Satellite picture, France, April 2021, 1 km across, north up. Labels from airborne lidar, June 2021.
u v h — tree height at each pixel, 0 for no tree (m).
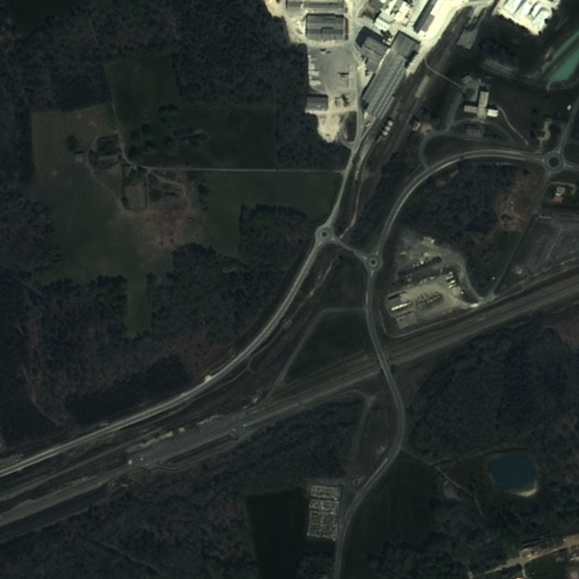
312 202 0
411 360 0
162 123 10
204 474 6
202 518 18
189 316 15
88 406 10
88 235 0
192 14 13
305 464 17
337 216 0
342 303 0
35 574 13
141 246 0
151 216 0
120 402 9
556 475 21
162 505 14
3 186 23
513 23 11
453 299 0
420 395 8
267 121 0
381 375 0
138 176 9
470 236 17
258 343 0
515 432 20
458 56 10
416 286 0
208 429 0
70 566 19
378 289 6
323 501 0
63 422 7
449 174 0
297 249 11
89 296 7
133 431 0
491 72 0
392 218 0
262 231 13
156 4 18
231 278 13
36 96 16
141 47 12
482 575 19
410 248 0
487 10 0
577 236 0
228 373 0
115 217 0
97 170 0
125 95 0
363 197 0
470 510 7
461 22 0
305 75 19
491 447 13
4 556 14
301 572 15
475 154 0
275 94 15
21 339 16
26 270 6
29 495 0
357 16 0
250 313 17
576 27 0
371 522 0
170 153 14
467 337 0
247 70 13
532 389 18
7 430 14
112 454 7
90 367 14
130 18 15
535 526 8
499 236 0
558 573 0
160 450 0
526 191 0
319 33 0
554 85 0
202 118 0
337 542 0
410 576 8
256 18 6
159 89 0
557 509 20
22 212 8
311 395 0
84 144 0
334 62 0
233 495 17
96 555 13
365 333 0
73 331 8
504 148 0
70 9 0
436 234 9
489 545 21
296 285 0
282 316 0
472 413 20
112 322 9
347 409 16
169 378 9
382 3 0
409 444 0
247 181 0
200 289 13
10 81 20
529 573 0
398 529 0
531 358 23
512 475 0
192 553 21
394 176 14
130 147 0
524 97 0
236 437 0
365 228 15
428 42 0
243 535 20
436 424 18
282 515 0
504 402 13
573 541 0
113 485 0
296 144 11
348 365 0
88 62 13
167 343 16
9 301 23
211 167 0
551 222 0
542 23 0
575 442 20
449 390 22
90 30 9
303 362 0
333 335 0
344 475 15
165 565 17
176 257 12
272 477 18
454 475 0
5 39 6
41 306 18
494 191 17
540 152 0
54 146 0
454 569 12
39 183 0
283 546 0
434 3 0
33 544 13
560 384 15
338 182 9
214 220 0
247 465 9
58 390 24
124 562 16
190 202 0
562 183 0
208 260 17
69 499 0
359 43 0
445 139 0
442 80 0
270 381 0
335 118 0
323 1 0
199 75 11
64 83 16
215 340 11
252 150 0
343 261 8
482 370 19
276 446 12
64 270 0
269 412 0
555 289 0
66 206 0
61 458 0
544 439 11
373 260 0
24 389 15
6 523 0
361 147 0
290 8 0
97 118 0
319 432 16
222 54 9
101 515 13
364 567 0
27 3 0
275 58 15
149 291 17
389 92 0
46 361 10
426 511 0
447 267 0
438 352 0
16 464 0
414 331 0
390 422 0
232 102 14
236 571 22
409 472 0
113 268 0
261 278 13
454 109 0
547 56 0
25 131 15
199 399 0
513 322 0
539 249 0
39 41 19
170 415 0
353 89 0
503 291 0
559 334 9
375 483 0
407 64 0
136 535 13
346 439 15
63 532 13
